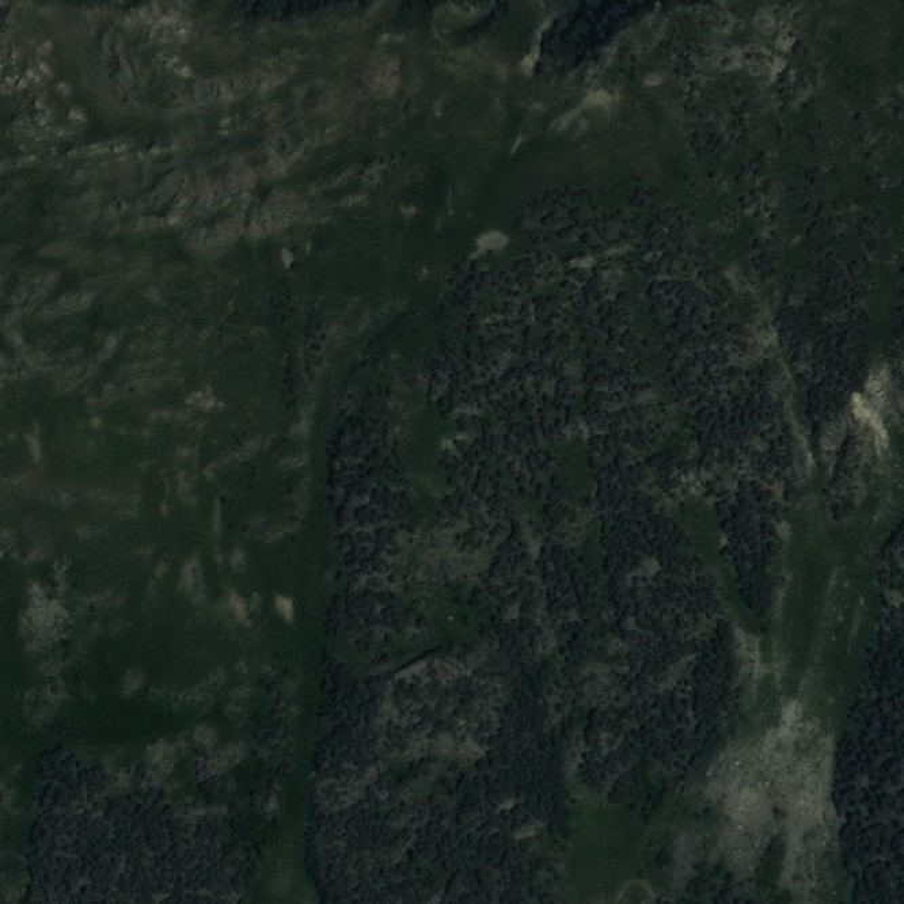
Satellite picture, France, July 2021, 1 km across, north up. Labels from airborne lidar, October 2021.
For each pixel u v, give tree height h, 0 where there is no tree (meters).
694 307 16
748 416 18
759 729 0
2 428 0
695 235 0
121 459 0
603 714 12
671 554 17
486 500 22
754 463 10
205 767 7
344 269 0
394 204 0
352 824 15
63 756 12
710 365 11
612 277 6
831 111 0
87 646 0
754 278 9
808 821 0
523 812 21
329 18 0
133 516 0
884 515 0
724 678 14
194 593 0
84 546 0
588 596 18
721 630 20
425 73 0
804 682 0
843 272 16
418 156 0
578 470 0
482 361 20
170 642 0
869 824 7
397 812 15
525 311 14
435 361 9
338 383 0
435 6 10
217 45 0
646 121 0
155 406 0
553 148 0
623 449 20
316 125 0
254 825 6
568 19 0
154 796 14
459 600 18
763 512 12
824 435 12
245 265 0
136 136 0
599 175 0
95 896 15
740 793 0
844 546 0
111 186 0
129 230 0
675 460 13
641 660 20
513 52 0
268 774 7
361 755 14
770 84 0
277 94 0
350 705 13
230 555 0
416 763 22
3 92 0
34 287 0
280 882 0
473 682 8
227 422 0
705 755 14
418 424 0
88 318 0
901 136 0
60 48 0
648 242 11
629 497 18
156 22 0
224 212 0
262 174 0
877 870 25
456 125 0
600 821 0
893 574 12
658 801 16
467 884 16
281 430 0
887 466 0
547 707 15
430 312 0
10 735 0
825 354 9
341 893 7
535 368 23
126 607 0
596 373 23
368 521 15
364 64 0
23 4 0
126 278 0
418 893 11
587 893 0
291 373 14
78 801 12
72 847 12
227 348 0
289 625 0
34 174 0
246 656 0
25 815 0
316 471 0
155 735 0
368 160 8
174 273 0
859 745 6
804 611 0
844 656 0
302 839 0
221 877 13
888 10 0
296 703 7
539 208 11
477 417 13
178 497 0
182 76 0
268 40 0
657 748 21
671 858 8
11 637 0
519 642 21
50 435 0
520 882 15
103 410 0
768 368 12
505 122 0
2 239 0
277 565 0
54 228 0
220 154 0
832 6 0
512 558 11
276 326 0
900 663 20
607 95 0
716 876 7
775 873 0
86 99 0
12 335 0
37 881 11
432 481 0
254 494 0
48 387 0
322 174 0
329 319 0
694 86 11
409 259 0
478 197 0
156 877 11
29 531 0
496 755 21
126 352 0
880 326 0
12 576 0
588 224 16
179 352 0
